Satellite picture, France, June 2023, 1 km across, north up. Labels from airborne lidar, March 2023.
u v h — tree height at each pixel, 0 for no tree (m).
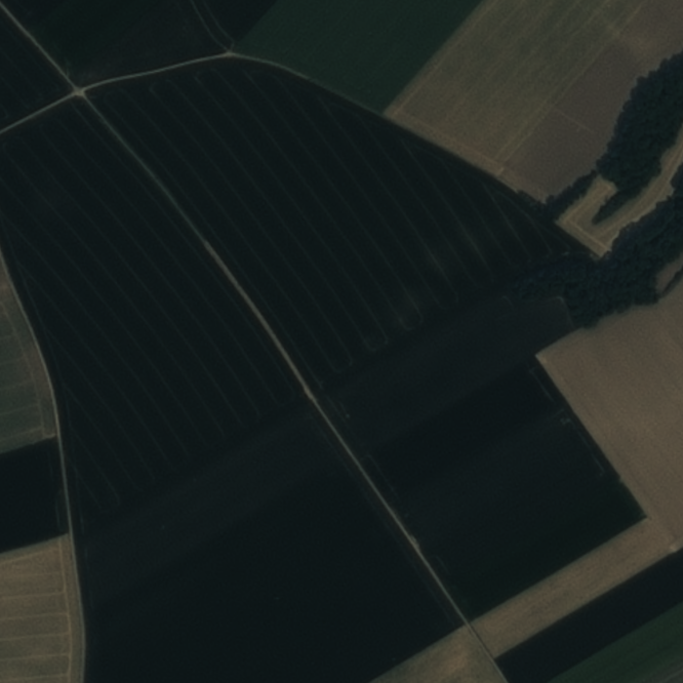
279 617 0
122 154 0
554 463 0
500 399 0
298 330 0
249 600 0
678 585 0
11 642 0
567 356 0
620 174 21
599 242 0
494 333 0
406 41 0
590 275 23
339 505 0
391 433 0
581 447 0
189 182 0
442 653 0
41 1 0
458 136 0
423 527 0
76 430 0
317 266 0
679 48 0
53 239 0
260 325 0
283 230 0
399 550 0
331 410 0
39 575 0
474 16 0
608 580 0
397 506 0
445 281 0
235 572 0
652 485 0
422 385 0
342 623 0
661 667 0
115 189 0
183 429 0
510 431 0
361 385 0
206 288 0
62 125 0
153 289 0
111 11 0
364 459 0
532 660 0
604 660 0
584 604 0
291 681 0
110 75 0
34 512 0
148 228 0
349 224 0
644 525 0
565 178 0
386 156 0
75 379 0
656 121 24
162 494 0
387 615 0
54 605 0
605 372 0
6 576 0
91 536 0
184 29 0
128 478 0
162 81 0
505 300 0
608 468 0
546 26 0
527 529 0
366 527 0
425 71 0
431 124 0
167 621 0
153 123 0
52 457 0
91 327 0
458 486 0
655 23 0
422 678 0
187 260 0
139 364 0
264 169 0
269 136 0
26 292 0
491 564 0
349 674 0
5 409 0
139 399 0
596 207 0
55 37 0
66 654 0
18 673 0
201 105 0
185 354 0
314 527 0
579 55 0
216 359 0
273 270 0
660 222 22
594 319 12
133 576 0
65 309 0
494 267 0
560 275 19
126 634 0
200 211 0
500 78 0
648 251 22
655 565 0
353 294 0
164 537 0
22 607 0
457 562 0
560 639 0
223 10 0
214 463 0
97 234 0
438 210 0
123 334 0
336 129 0
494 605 0
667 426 0
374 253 0
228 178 0
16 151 0
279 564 0
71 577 0
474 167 0
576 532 0
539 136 0
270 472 0
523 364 0
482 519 0
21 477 0
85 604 0
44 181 0
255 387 0
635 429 0
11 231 0
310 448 0
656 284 0
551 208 17
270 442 0
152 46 0
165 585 0
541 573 0
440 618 0
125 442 0
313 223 0
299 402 0
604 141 0
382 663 0
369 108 0
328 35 0
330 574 0
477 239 0
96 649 0
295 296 0
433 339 0
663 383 0
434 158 0
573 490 0
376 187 0
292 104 0
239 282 0
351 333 0
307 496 0
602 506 0
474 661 0
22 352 0
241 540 0
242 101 0
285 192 0
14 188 0
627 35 0
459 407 0
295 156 0
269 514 0
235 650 0
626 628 0
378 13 0
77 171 0
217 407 0
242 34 0
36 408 0
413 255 0
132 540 0
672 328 0
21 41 0
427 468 0
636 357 0
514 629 0
